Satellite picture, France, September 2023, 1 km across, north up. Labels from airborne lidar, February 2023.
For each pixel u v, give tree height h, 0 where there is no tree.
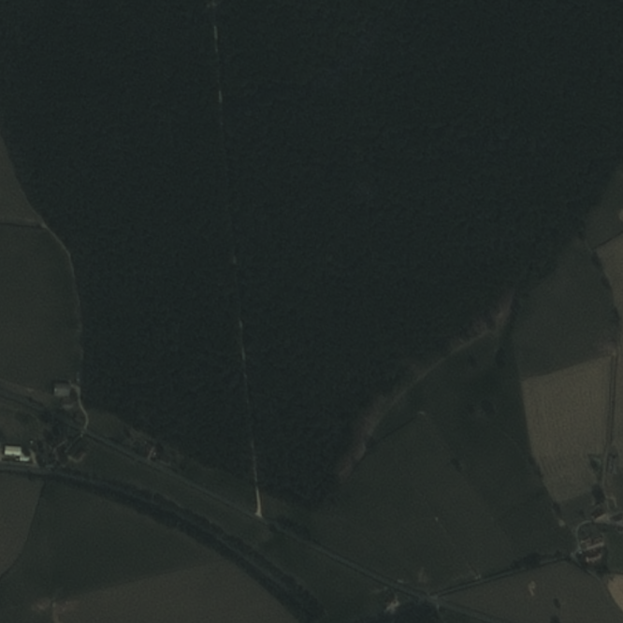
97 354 24
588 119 26
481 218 23
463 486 0
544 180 31
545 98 23
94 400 16
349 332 27
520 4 23
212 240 25
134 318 26
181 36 21
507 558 0
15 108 21
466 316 27
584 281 0
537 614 0
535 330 0
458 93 22
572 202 23
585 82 24
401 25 25
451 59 27
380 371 26
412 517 0
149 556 0
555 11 24
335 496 22
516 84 24
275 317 24
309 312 27
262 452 25
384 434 0
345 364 22
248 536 0
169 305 26
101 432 0
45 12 24
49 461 0
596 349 0
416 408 0
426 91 23
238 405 27
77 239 23
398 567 0
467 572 0
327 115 24
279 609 0
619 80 26
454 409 0
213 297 23
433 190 27
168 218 26
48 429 0
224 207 21
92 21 21
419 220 26
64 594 0
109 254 25
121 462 0
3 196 0
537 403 0
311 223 27
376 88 22
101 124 25
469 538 0
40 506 0
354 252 26
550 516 0
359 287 26
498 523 0
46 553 0
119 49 23
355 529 0
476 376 0
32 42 23
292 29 25
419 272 26
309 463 23
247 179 26
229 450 23
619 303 0
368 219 27
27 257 0
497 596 0
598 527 0
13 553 0
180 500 0
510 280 23
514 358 0
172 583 0
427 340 29
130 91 24
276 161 28
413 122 27
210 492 0
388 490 0
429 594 0
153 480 0
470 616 0
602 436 0
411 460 0
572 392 0
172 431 19
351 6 21
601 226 0
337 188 27
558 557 7
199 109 26
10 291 0
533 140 29
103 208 25
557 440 0
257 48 25
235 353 22
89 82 23
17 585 0
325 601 0
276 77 23
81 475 6
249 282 24
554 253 18
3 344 0
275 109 21
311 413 15
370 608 0
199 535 10
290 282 26
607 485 0
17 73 22
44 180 22
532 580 0
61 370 0
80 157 27
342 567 0
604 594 0
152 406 25
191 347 26
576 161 29
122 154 27
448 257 25
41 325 0
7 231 0
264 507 0
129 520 0
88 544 0
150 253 24
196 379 24
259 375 25
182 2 19
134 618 0
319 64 26
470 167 28
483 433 0
